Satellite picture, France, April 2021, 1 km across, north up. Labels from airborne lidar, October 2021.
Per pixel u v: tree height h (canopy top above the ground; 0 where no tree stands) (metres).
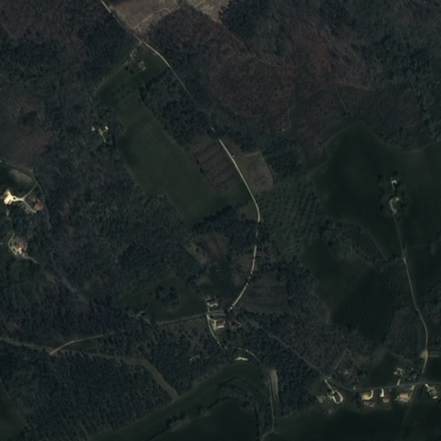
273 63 20
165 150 0
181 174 0
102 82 16
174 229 10
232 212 21
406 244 0
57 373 18
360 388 19
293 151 19
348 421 0
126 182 16
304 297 18
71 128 13
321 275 0
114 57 20
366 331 0
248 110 8
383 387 0
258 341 12
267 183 0
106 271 23
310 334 9
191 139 21
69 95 16
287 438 0
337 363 15
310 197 8
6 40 16
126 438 0
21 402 20
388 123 9
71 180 21
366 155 0
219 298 7
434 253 8
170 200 0
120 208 14
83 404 20
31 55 21
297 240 10
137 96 0
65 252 17
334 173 0
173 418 0
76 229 23
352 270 0
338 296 0
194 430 0
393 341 10
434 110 9
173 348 15
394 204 0
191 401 0
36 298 27
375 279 0
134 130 0
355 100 7
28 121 10
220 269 6
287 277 20
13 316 28
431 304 14
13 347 12
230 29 25
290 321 18
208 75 14
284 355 22
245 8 22
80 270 19
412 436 0
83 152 17
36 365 11
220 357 8
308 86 5
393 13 22
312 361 7
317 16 18
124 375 21
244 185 0
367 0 21
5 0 10
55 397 21
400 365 0
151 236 14
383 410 0
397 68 17
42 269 22
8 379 20
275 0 18
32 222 15
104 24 7
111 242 9
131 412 18
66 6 7
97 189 14
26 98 15
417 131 8
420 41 22
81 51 9
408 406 0
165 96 14
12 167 0
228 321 14
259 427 14
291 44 14
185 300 0
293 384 18
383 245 0
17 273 22
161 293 17
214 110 17
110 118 19
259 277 7
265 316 11
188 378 14
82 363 23
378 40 25
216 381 0
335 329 11
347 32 15
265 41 22
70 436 18
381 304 0
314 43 8
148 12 0
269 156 18
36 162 15
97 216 15
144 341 20
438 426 0
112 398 14
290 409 20
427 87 9
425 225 0
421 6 13
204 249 8
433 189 0
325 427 0
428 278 0
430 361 0
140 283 17
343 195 0
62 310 23
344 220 0
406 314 12
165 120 12
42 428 22
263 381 10
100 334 24
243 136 17
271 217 10
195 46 14
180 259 12
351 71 19
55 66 13
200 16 6
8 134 20
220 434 0
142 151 0
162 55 8
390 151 0
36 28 11
